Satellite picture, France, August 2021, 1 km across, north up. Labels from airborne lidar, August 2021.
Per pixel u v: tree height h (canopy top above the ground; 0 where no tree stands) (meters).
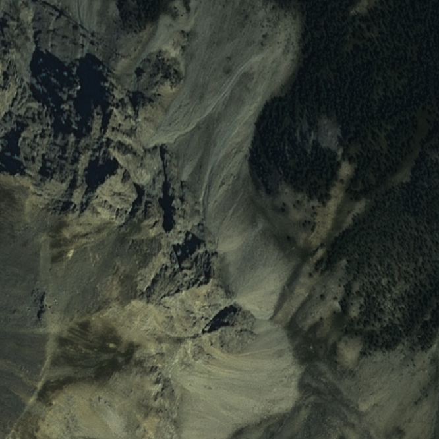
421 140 0
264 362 0
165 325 0
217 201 0
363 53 21
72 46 0
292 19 0
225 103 0
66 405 0
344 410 0
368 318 11
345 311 11
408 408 0
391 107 20
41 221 0
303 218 0
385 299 11
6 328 0
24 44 0
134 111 0
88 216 0
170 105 0
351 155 9
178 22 0
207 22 0
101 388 0
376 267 8
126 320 0
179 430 0
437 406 0
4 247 0
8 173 0
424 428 0
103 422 0
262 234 0
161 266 0
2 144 0
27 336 0
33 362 0
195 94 0
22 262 0
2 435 0
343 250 10
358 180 24
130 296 0
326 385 0
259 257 0
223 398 0
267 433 0
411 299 18
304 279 0
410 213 13
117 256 0
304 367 0
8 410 0
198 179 0
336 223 0
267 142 14
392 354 0
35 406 0
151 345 0
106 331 0
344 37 19
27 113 0
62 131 0
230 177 0
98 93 0
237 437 0
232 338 0
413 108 23
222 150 0
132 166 0
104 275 0
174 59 0
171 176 0
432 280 14
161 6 9
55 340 0
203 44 0
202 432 0
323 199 11
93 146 0
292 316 0
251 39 0
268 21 0
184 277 0
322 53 21
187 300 0
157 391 0
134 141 0
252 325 0
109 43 0
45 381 0
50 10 0
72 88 0
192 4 0
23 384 0
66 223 0
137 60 0
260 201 0
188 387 0
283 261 0
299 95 6
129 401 0
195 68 0
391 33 9
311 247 0
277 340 0
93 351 0
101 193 0
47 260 0
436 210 14
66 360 0
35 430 0
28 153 0
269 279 0
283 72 0
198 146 0
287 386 0
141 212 0
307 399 0
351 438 0
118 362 0
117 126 0
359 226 11
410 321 7
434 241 6
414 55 14
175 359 0
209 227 0
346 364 0
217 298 0
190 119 0
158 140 0
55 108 0
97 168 0
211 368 0
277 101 14
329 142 0
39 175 0
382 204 7
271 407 0
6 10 0
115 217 0
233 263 0
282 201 0
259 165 6
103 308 0
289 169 7
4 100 0
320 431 0
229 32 0
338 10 17
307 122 0
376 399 0
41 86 0
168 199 0
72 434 0
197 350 0
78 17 0
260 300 0
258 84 0
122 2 7
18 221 0
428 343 10
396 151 18
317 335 0
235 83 0
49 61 0
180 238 0
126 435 0
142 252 0
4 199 0
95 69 0
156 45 0
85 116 0
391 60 12
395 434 0
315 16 14
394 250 6
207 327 0
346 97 11
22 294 0
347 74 10
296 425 0
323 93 19
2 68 0
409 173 0
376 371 0
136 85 0
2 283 0
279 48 0
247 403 0
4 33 0
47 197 0
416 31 16
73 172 0
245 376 0
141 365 0
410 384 0
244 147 0
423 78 10
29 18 0
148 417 0
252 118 0
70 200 0
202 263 0
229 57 0
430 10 14
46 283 0
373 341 8
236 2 0
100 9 0
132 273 0
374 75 20
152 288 0
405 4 20
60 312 0
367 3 0
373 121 26
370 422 0
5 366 0
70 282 0
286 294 0
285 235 0
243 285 0
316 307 0
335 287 0
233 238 0
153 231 0
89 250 0
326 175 15
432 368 0
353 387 0
